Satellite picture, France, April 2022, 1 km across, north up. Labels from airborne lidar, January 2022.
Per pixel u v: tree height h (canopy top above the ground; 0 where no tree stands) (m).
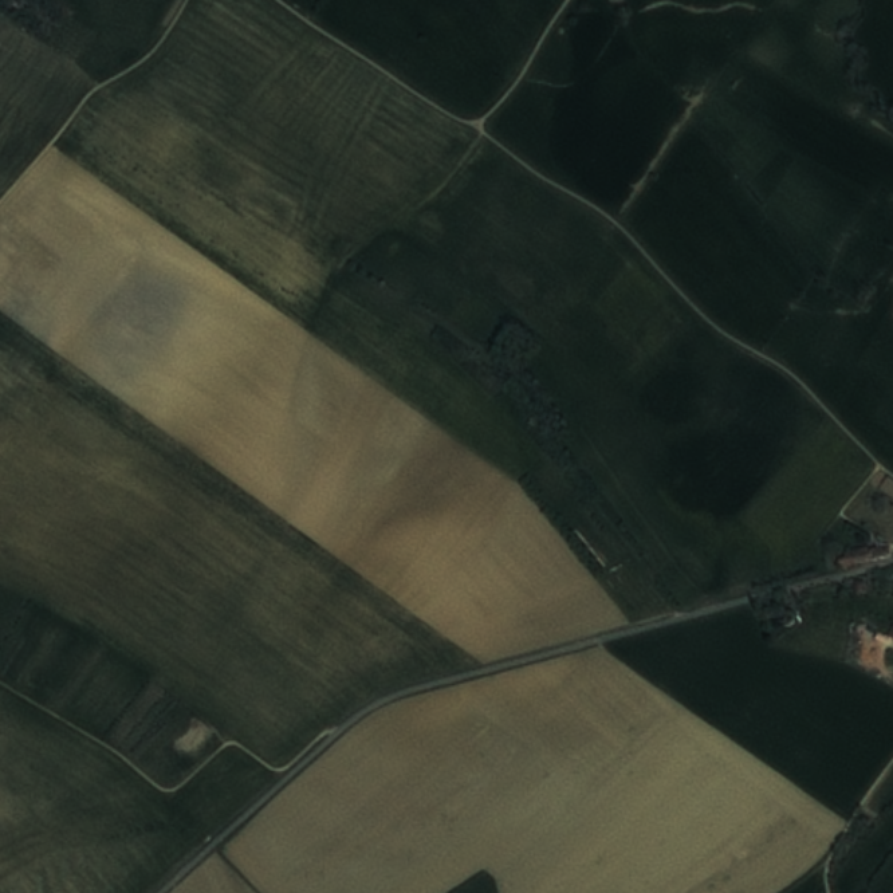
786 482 0
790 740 0
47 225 0
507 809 0
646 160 0
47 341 0
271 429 0
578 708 0
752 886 0
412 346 0
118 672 0
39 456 0
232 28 0
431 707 0
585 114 0
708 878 0
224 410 0
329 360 0
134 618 0
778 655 0
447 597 0
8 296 0
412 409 0
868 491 0
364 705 0
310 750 0
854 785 0
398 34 0
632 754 0
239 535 0
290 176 0
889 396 0
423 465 0
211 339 0
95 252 0
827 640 0
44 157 0
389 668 0
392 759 0
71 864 0
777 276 0
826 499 0
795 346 0
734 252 0
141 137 0
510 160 0
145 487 0
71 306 0
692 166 0
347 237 0
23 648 0
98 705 0
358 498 0
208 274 0
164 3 0
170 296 0
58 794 0
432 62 0
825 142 0
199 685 0
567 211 0
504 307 0
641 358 0
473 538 0
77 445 0
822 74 0
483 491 0
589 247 0
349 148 0
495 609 0
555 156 0
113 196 0
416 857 0
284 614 0
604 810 0
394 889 0
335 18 0
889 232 0
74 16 0
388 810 0
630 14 13
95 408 0
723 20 0
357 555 0
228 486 0
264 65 0
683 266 0
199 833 0
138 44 0
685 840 0
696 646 0
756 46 0
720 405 0
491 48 0
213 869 0
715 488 0
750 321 0
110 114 0
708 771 0
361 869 0
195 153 0
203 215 0
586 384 0
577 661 0
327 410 0
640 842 0
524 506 0
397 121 0
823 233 0
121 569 0
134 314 0
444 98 0
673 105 0
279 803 0
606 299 0
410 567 0
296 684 0
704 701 0
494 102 0
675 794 0
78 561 0
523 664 0
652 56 0
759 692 0
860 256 0
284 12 0
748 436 0
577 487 7
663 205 0
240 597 0
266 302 0
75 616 0
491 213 0
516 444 0
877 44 0
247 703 0
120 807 0
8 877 0
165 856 0
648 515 0
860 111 0
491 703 0
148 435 0
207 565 0
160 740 0
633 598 0
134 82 0
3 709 0
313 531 0
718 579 0
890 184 0
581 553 9
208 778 0
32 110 0
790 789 0
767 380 0
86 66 0
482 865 0
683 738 0
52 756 0
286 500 0
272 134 0
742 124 0
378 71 0
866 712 0
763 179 0
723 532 0
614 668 0
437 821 0
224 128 0
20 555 0
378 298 0
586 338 0
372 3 0
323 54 0
